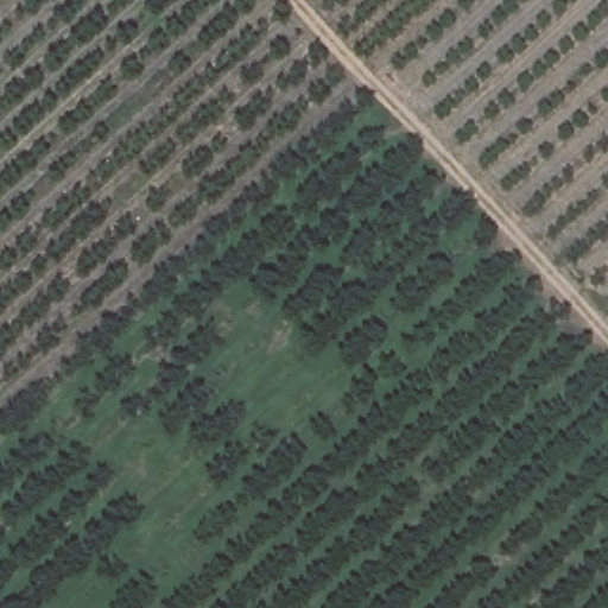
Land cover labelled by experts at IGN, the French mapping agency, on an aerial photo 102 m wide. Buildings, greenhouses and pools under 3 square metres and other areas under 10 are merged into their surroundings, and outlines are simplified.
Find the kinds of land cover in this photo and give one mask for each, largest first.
<instances>
[{"label":"deciduous trees","instance_id":"1","mask_svg":"<svg viewBox=\"0 0 608 608\"><path fill-rule=\"evenodd\" d=\"M131 0H0V40L24 21V17L38 12L43 5L52 12L48 24L52 29L67 24L71 29L67 38L55 40L45 52L48 69L55 71L76 45L100 33L105 24ZM216 0H145V7L138 12L135 19L121 21L116 26V33L109 36L102 48H95L81 59H76V64L67 69V74L43 95V100H36L29 107H24L21 114L14 116L12 126H7L0 133V195L10 185H14L26 171L36 169L40 157L50 152L59 135L55 133L57 126L71 133L102 102L114 97L116 86L109 78L112 74L121 71L126 78L140 76L152 55L162 52L171 38L181 36L202 10H207ZM257 5V0H235L228 2L219 14H214L192 43L173 52L169 64L164 69H157L140 93L128 95L107 119L95 124L86 140L76 143L69 152L57 157L50 164V171L43 178H38V183L31 190L17 195L7 207L0 209V311H5V306L19 292H24L33 283V278H38L48 268V264L62 261L64 254L76 245V240L86 238L97 223L107 219L112 200L105 197L95 202L93 192H97L114 176V171L135 159V154H140L143 145L150 138L159 135L166 126H171L188 109L192 97H197L207 86H211L221 74L233 69V64L242 59L268 31L264 17L252 26H245L238 38L230 40L228 48L219 52L216 64H207L202 74L185 81L173 93V100L164 105L150 121H140L133 131H128L114 147L109 159L100 154L95 145H100L109 135V131H114L143 105L159 97L164 86L176 74H181L219 36H223L240 14H247ZM477 0H309V5L323 17V21L337 31V36L366 62V67L373 74L378 69H385L390 62L397 69H404L411 59H416L428 43L439 40L444 29L454 26L456 17L468 12ZM527 0H504L477 26L482 38H489L492 31L499 29ZM575 0H553L546 10L537 14L532 24L525 26V31L515 33L506 45H501L492 57H487L463 81L461 88L451 90L435 105V114L439 119L447 116L454 107H458L468 95L477 93V86L485 78H489L494 69L520 55L527 48V43H532ZM608 17V0H601L587 14V19L577 21L558 40V45L549 48L530 69L520 71L518 78H513L496 97H492L485 107V114L487 119H496V114L511 107L518 95H523L537 78H542L558 62V57H563L575 43L584 40L601 24V19ZM45 36L43 26L36 24L33 31L17 48L5 52V59L12 67L24 62L33 45H38ZM290 52L287 36H276L271 40L268 52L261 59L252 62L249 67H242V83L259 81L271 62ZM473 52V40L463 38L447 50L442 62H437L432 69L423 74L425 86H432L442 74L461 64ZM608 64V45L599 50L580 69H575L565 86L556 88L553 93L539 100V112L549 116L584 81V76L601 71ZM306 59L302 57L292 64L290 71L278 74L280 88L287 90L304 78ZM347 74V69L335 59L328 67L325 76L311 83L309 93L314 102H323ZM43 81V67H29L21 78H12L7 83L5 93L0 95V116ZM496 223L477 207L470 190L458 188L444 173V169L437 166L435 159L425 154L420 135L404 131V126L375 100L371 88L359 86L356 102L344 100L311 133L302 135L297 143L278 152L268 169L261 171V181L249 183L242 190V195L230 202L226 211L209 216L202 223V233L197 235L195 245H188L181 254H171L162 264H157L152 278L143 285L140 295H128L121 309L102 314L100 325H95L88 333H78L76 347L64 340L59 342V335L67 330V323L64 318H57L55 323L45 325L38 333L36 342L14 361H5V366L0 363V608H608V349L594 342L591 330L580 321L570 304L558 299L553 290H549L542 283L539 273H534L525 264L518 249L501 247V240L496 238ZM235 97L228 88H223L216 97L204 102L192 114L190 121H185L176 131L183 143L192 140L202 128L221 119L226 105ZM273 90L266 88L261 93H254L245 107L235 112V121L240 128H252L254 119L264 114L271 105ZM309 102L306 97H297L280 112H276V116L266 124L264 133L257 135V140H245L238 147L235 157L226 159L223 169H219L216 173H209L207 164L228 143L221 133L211 143L190 152L183 162V173L197 176L200 185L195 195L185 197L173 207L171 214L185 223L195 216L202 202H216L226 192V188L235 183L238 176L254 166V162L268 150V143L273 138L297 126ZM596 102H587L568 121L558 126V135L563 140L572 138L577 128H584L587 121L596 114ZM532 131L530 119H518L511 133L499 135L492 145L482 150L480 166L489 169L501 152H506L511 145H515L518 138ZM606 150H608V131H606V133H603V135H601V138H599L596 143H591V145H587V147H584V157H587V162H591V159H594V154H601V152H606ZM176 145L173 140H166L140 164L143 173L152 176L171 159ZM530 176V166L523 162L501 178L504 190H511L515 183ZM575 171L565 166L561 176L549 178L525 202L523 214V216L539 214L556 190L572 183ZM171 195L164 185H159L152 188L147 195V207L154 211L162 209L166 197ZM601 200L599 190H589L582 200L572 202L556 219V223L549 226L551 240L558 238V233L568 223L587 214ZM131 230H135V221L131 219V214H126L119 219L114 230H107V235L100 242L83 249L76 266L78 276L90 273ZM608 238V214L603 221L591 226L582 238L572 240L570 247H565L551 259L561 268V273L577 285L580 295H584L596 306V311H608V295H599L601 285L606 283V266H599L594 273H584L577 259L589 254L594 242ZM171 238L162 221H154L147 228V233L140 235V240H135L131 247V254L138 264L147 261L159 245H166ZM128 266L119 259L112 266H107V271L95 283L83 287L81 299L71 309L74 314H83L102 304V299L114 287H119L126 280ZM69 280H64V276H55L43 292L36 295L33 302L21 306L19 316L12 323L0 325V356L10 344H14L24 328L45 316L52 302H59L64 297Z\"/></svg>","mask_w":608,"mask_h":608},{"label":"herbaceous vegetation","instance_id":"2","mask_svg":"<svg viewBox=\"0 0 608 608\"><path fill-rule=\"evenodd\" d=\"M145 7V0H131L105 24L100 33L76 45L55 71L48 69L45 52L55 40L67 38L71 29L67 24L52 29L48 24L52 12L43 5L38 12L24 17V21L0 40V95L5 93L7 83L12 78H21L29 67H43V81L0 116V133L7 126H12L14 116L21 114L24 107H29L36 100H43V95L67 74V69L76 64V59H81L95 48H102L109 36L116 33V26L121 21L135 19L138 12ZM36 24L43 26L45 36L38 45H33L24 62L12 67L5 59V52L17 48L33 31ZM228 2L235 0H216L207 10H202L181 36L171 38L162 52L152 55L140 76L126 78L121 71L112 74L109 78L116 86L114 97L102 102L71 133L57 126L55 133L59 135L50 152L40 157L36 169L26 171L14 185H10L0 195V209L7 207L17 195L31 190L38 183V178H43L50 171V164L57 157L69 152L76 143L86 140L95 124L107 119L128 95L140 93L157 69H164L169 64L173 52L192 43L214 14H219ZM264 17L268 31L242 59L233 64V69L221 74L211 86H207L197 97H192L188 109L171 126H166L159 135L150 138L143 145L140 154H135V159L114 171V176L97 192H93L95 202L105 197L112 200L107 219L97 223L86 238L76 240V245L64 254L62 261L48 264V268L38 278H33V283L24 292H19L5 306V311H0V325L12 323L19 316L21 306L33 302L36 295L43 292L55 276H64V280H69L64 297L59 302H52L45 316L24 328L14 344H10L0 356V363L5 366V361H14L36 342L38 333L45 325L55 323L57 318H64L67 323V330L59 335V342L64 340L76 347L78 333H88L95 325H100L102 314L121 309L128 295H140L143 285L152 278L157 264H162L171 254H181L188 245H195L197 235L202 233V223L209 216L226 211L230 202L242 195V190L249 183L261 181V171L268 169L278 152L297 143L302 135L311 133L344 100L356 102L359 86L354 76L347 74L323 102H314L309 93L311 83L325 76L328 67L335 59L328 52V48L314 36V31H309L302 24V19L292 12L287 0H257V5L247 14H240L223 36H219L181 74H176L164 86L159 97L143 105L114 131H109V135L100 145H95L100 154L109 159L114 147L128 131H133L140 121H150L164 105L173 100V93L185 81L202 74L207 64H216L219 52L228 48L230 40L238 38L245 26H252ZM276 36H287L290 52L271 62L259 81L242 83V67H249L252 62L261 59L268 52L271 40ZM302 57L306 59L304 78L287 90L280 88L278 74L290 71L292 64ZM223 88H228L235 97L226 105L221 119L202 128L192 140L183 143L176 131L185 121H190L192 114L204 102L216 97ZM266 88L273 90L271 105L264 114L254 119L252 128H240L235 121V112L245 107L254 93H261ZM297 97H306L309 102L297 126L273 138L268 143V150L254 162V166L238 176L235 183L226 188V192L216 202H202L195 216L185 223L171 214L173 207L185 197L195 195L200 185L197 176L183 173V162L190 152L211 143L221 133L228 143L207 164L209 173H216L219 169H223L226 159L235 157L238 147L245 140H257V135L264 133L266 124L276 116V112H280ZM166 140H173L176 145L171 159L152 176L143 173L140 164ZM159 185H164L171 195L166 197L162 209L154 211L147 207V195L152 188ZM126 214H131V219L135 221V230H131L90 273L78 276L76 266L83 249L100 242L107 235V230H114L119 219ZM154 221H162L171 238L166 245H159L147 261L138 264L131 254V247L135 240H140V235L147 233V228ZM119 259L128 266L126 280L119 287H114L102 299V304L83 314H74L71 309L81 299L83 287L95 283L107 271V266H112Z\"/></svg>","mask_w":608,"mask_h":608},{"label":"plowed land","instance_id":"3","mask_svg":"<svg viewBox=\"0 0 608 608\"><path fill-rule=\"evenodd\" d=\"M504 0H477L468 12L456 17L454 26L444 29L439 40L428 43L416 59H411L404 69H397L401 86L411 93H418V105L413 114L430 126L435 138L454 152V157L496 197V202L508 214H523L525 202L549 178L561 176L565 166L575 171L572 183L556 190L539 214L523 216L518 221L523 233L530 240H534L539 249L551 259L565 247H570L572 240L582 238L591 226L603 221L608 214V150H606V152H601V154H594V159H591V162H587V157H584V147H587V145H591V143H596L599 138H601V135H603V133H606V131H608V64L601 71L584 76V81L549 116L539 112V100L553 93L556 88L565 86L575 69H580L599 50L608 45V17L601 19V24L584 40L575 43L563 57H558V62L542 78H537L523 95H518L511 107L496 114V119H487L485 114V107L492 97H496L513 78H518L520 71L530 69L549 48L558 45V40L577 21L587 19V14L601 0H575L532 43H527V48L520 55L494 69L489 78H485L477 86V93L468 95L458 107H454L447 116L439 119L435 114V105L451 90L461 88L463 81L487 57H492L501 45H506L515 33L525 31V26L532 24L537 14L546 10L553 0H527L499 29L492 31L489 38H482L477 26ZM463 38L473 40V52L461 64L442 74L432 86H425L423 74L432 69L437 62H442L447 50ZM587 102H596V114L587 121L584 128H577L572 138L563 140L558 135V126L568 121ZM518 119H530L532 131L518 138L515 145H511L506 152H501L489 169L480 166L482 150L492 145L499 135L511 133ZM523 162L530 166V176L515 183L511 190H504L501 178ZM589 190H599L601 200L587 214L568 223L558 233V238L551 240L549 226L556 223V219L572 202L582 200ZM584 273H594L599 266H606V283L601 285L599 295H608V238L594 242L589 254L577 259Z\"/></svg>","mask_w":608,"mask_h":608},{"label":"pervious surface","instance_id":"4","mask_svg":"<svg viewBox=\"0 0 608 608\"><path fill-rule=\"evenodd\" d=\"M292 12L302 19V24L309 31H314V36L328 48V52L335 59L347 69V74L354 76L359 86L371 88L375 100L404 126V131L420 135L425 154L435 159L437 166L444 169V173L458 188L470 190L477 207L496 223V238L501 240V247L518 249L525 264L534 273H539L542 283L549 290H553L558 299L570 304L580 321L591 330L594 342L608 349V311H596V306L584 295H580L577 285L561 273V268L551 259L539 249L534 240H530L523 233L518 221L523 216V214H508L496 202V197L454 157V152L435 138L430 126L413 114L418 105V93H411L401 86L397 69L390 62L385 69H378L373 74L366 67V62L337 36V31L323 21V17L309 5V0H287Z\"/></svg>","mask_w":608,"mask_h":608}]
</instances>
